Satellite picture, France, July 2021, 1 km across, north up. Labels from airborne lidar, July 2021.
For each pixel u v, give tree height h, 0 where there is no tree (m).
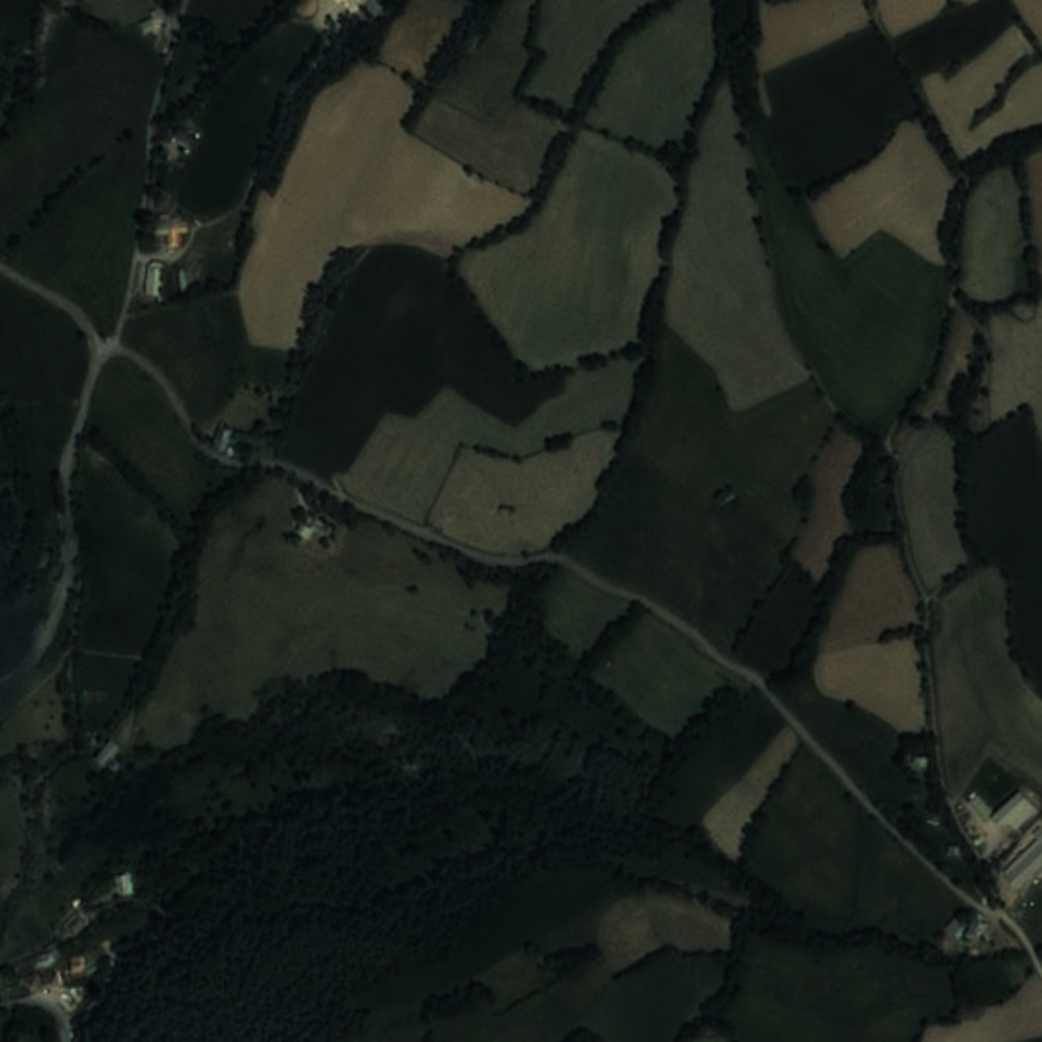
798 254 0
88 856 0
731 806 0
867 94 0
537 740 11
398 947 23
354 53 13
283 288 0
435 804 19
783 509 0
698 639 0
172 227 0
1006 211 0
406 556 0
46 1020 12
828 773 0
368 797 23
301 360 10
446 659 0
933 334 0
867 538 13
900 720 0
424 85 8
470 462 0
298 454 0
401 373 0
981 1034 0
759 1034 0
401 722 9
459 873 20
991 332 0
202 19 9
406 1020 0
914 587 0
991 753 0
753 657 0
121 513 0
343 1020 18
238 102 0
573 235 0
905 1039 0
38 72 13
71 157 0
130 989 19
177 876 20
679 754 22
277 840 24
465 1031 0
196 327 0
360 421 0
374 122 0
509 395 0
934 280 0
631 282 0
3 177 0
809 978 0
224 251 0
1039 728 0
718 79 15
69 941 6
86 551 12
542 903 0
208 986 22
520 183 0
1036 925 0
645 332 18
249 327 0
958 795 0
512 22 0
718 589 0
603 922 0
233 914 17
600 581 0
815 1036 0
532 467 0
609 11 0
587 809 24
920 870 0
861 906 0
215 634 0
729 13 14
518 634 17
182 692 0
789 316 0
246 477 18
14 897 6
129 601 0
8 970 15
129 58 0
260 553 0
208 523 12
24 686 0
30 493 18
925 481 0
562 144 14
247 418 0
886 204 0
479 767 17
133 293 0
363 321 0
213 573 0
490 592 0
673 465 0
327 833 15
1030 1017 0
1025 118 0
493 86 0
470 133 0
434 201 0
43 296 0
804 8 0
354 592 0
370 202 0
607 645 13
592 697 12
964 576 6
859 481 17
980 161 12
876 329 0
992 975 0
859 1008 0
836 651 0
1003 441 0
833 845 0
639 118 0
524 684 0
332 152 0
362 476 0
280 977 21
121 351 0
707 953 8
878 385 0
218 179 0
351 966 23
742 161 0
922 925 0
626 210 0
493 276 0
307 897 7
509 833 18
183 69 0
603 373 0
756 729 0
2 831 0
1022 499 0
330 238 0
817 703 0
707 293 0
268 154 12
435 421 0
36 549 14
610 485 10
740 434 0
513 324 0
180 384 0
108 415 0
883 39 9
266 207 0
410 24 0
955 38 0
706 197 0
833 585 15
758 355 0
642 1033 0
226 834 22
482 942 0
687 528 0
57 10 6
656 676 0
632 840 20
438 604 0
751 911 14
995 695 0
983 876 15
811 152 0
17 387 0
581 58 0
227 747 24
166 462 0
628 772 18
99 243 0
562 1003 0
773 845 0
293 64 0
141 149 0
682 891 8
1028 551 0
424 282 0
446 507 0
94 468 0
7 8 0
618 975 10
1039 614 0
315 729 19
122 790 19
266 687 8
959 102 0
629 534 0
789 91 0
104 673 0
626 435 12
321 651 0
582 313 0
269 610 0
